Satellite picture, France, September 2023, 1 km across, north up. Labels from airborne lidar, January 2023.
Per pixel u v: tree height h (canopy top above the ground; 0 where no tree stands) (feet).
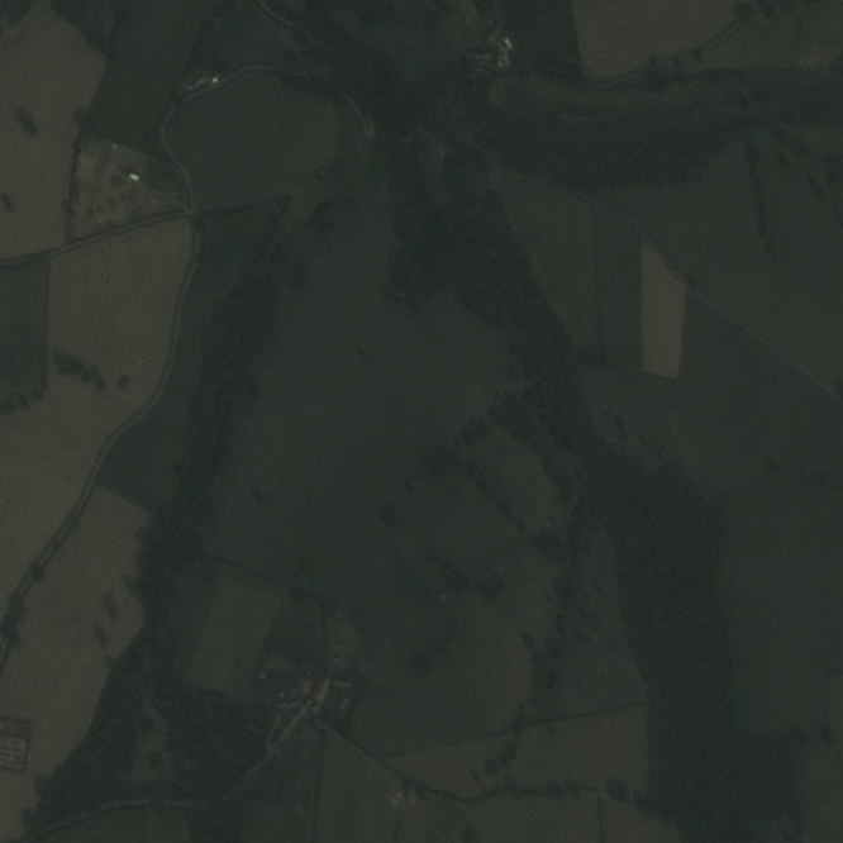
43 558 0
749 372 0
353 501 0
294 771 0
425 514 0
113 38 29
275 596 0
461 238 76
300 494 0
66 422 0
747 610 0
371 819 0
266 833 0
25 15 0
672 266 0
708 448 0
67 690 0
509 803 0
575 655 0
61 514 0
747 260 0
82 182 0
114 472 0
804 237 0
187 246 0
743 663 0
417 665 42
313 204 0
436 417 0
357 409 0
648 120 0
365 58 83
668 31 0
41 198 0
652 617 70
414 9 0
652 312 0
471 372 0
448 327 0
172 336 0
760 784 69
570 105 0
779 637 0
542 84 0
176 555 67
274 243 70
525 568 0
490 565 0
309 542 0
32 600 0
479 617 0
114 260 0
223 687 0
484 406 0
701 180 26
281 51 0
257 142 0
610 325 0
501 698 0
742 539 0
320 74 0
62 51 0
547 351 97
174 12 0
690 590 60
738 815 87
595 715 0
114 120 0
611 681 0
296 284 52
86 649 0
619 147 92
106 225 0
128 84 0
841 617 0
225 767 28
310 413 0
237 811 60
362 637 0
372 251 0
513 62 44
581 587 0
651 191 0
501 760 44
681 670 63
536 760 0
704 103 0
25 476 0
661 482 42
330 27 64
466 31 0
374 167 0
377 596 0
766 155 0
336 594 0
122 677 28
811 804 0
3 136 0
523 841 0
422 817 0
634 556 72
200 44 42
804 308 0
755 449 0
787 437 0
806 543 0
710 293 0
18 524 0
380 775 0
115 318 0
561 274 0
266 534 0
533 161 75
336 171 0
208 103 0
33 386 0
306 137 0
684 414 0
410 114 66
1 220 0
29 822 64
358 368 0
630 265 0
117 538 0
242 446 0
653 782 51
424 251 0
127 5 29
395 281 34
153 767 22
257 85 0
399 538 0
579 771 0
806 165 0
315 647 0
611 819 0
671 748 69
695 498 28
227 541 0
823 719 0
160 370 0
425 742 0
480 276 64
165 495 0
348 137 0
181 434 0
